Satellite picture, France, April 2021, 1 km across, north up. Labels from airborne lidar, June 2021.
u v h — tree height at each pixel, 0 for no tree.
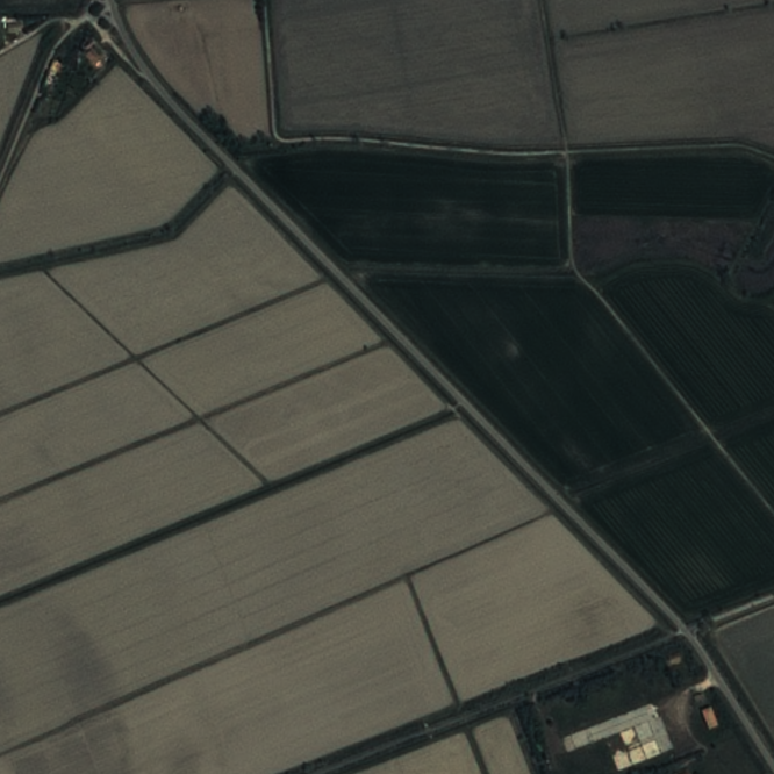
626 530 0
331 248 0
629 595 0
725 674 7
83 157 0
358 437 0
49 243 0
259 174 0
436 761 0
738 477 0
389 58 0
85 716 0
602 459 0
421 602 0
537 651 0
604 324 0
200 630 0
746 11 0
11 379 0
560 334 0
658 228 0
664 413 0
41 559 0
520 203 0
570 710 0
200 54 0
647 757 0
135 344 0
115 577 0
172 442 0
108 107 0
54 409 0
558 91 0
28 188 0
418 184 0
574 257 0
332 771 0
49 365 0
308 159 0
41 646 0
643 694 0
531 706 9
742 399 0
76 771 0
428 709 0
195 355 0
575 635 0
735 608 0
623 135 0
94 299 0
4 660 0
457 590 0
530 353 0
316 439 0
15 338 0
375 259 0
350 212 0
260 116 0
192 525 0
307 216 0
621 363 0
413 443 0
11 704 0
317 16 0
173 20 0
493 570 0
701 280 0
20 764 0
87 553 0
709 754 0
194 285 0
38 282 0
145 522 0
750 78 0
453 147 0
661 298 0
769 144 0
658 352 0
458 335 0
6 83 0
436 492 0
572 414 0
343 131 0
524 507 0
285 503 0
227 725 0
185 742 0
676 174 0
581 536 0
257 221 0
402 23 0
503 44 0
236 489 0
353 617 0
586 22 0
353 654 0
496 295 0
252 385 0
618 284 0
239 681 0
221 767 0
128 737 0
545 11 0
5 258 0
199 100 0
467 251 0
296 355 0
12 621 0
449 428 0
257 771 0
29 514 0
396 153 0
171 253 0
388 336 0
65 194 0
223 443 0
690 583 0
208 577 0
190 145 0
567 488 0
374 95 0
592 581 0
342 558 0
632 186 0
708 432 0
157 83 0
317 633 0
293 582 0
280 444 0
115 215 0
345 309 0
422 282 0
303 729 0
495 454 0
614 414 0
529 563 0
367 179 0
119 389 0
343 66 0
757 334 0
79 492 0
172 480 0
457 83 0
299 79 0
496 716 0
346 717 0
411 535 0
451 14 0
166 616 0
